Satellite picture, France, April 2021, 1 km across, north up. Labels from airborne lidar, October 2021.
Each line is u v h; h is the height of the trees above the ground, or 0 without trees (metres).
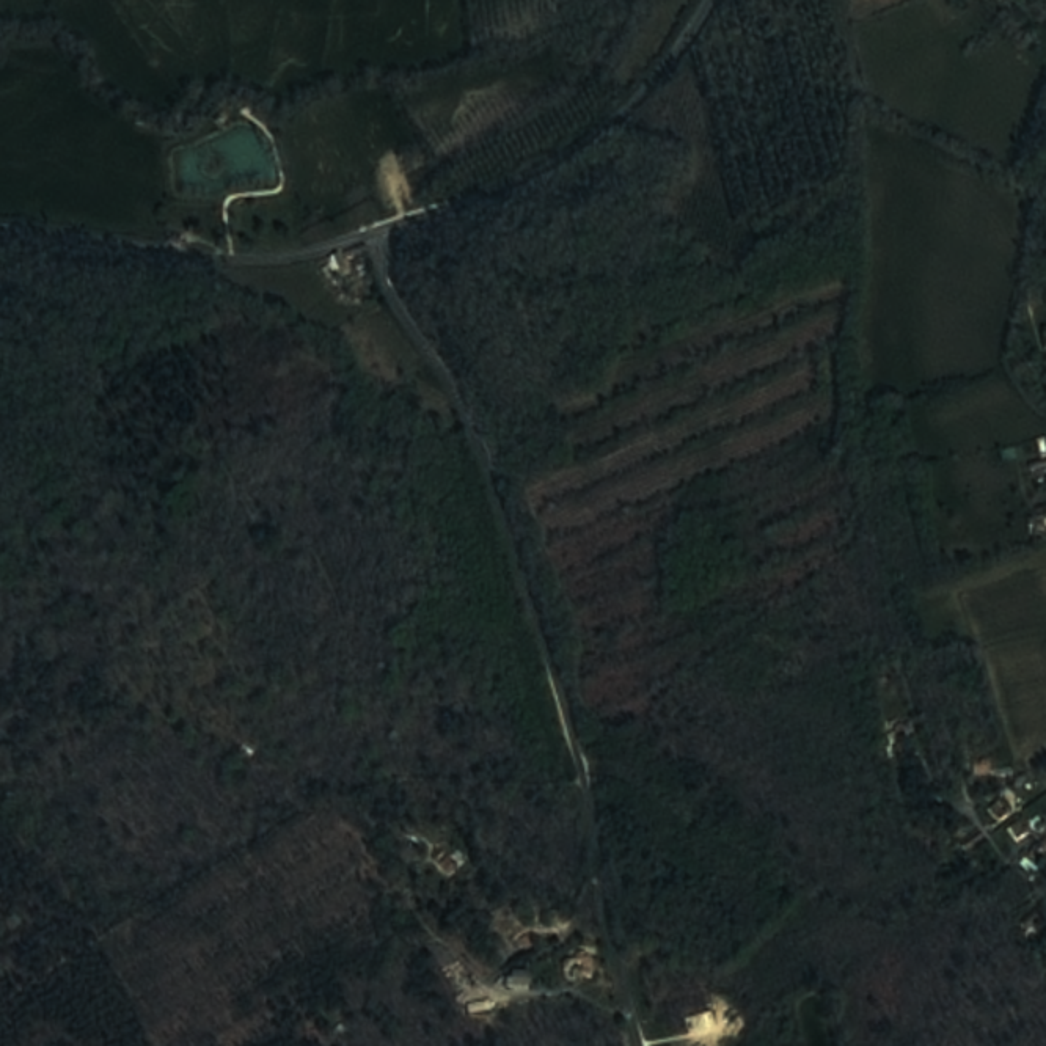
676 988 7
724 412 0
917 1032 13
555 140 22
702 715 18
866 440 15
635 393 8
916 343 0
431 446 24
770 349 0
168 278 27
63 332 23
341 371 21
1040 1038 17
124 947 23
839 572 10
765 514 11
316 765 18
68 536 18
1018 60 0
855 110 19
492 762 16
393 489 19
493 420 18
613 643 11
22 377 21
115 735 9
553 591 19
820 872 10
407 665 18
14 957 14
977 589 0
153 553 10
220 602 15
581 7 25
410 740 8
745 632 13
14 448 23
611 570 7
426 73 14
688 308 20
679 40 0
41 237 21
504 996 0
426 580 14
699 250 18
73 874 20
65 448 21
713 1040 0
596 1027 17
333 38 0
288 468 14
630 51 16
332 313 0
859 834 19
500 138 17
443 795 19
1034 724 0
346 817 16
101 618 10
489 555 21
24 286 18
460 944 18
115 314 20
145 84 0
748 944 14
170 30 0
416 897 13
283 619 7
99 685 16
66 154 0
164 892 14
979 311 0
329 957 19
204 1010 21
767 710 15
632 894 17
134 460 13
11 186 0
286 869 20
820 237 19
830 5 11
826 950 19
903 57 0
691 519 19
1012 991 21
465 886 9
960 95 0
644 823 14
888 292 0
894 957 8
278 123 17
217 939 18
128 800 19
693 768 12
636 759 14
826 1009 22
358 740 12
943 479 0
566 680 21
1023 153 20
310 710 14
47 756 22
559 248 16
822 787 18
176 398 18
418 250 11
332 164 0
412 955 11
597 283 16
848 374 26
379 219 0
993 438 0
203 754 11
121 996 20
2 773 17
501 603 20
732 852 15
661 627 13
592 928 17
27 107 0
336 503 12
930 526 16
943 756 13
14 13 0
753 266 22
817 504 14
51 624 16
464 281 17
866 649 14
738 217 16
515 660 22
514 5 28
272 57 0
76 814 21
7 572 18
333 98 20
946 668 22
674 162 16
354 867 24
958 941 13
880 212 0
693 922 15
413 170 11
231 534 13
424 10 0
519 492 21
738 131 11
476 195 0
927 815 22
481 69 20
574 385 17
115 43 0
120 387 21
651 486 0
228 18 0
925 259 0
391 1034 19
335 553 16
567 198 13
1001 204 0
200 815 16
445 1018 14
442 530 25
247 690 20
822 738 21
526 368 15
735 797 15
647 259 16
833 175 15
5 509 21
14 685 16
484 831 22
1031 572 0
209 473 14
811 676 15
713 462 0
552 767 19
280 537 20
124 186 0
